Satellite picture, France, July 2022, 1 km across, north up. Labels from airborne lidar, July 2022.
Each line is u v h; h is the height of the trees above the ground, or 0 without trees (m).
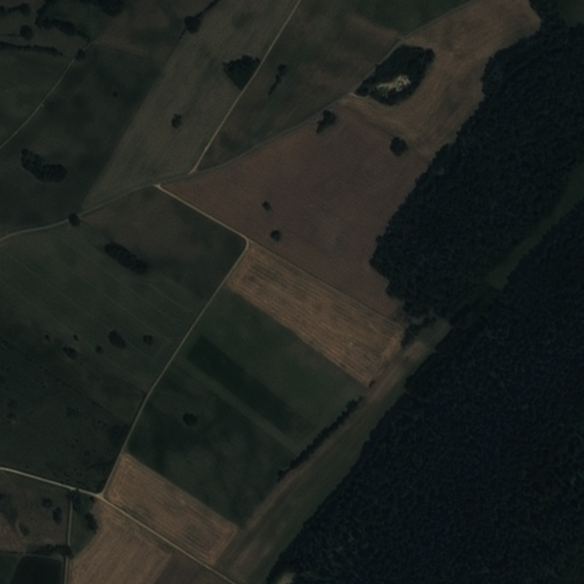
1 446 0
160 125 0
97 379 0
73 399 0
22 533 0
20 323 0
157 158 0
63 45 0
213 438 0
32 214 0
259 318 0
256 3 0
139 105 0
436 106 0
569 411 34
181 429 0
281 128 0
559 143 16
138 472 0
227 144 0
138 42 0
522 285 24
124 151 0
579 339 24
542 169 23
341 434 0
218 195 0
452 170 18
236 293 0
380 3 0
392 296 19
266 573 0
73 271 0
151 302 0
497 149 20
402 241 19
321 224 0
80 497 14
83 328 0
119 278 0
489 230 20
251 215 0
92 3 8
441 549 30
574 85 20
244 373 0
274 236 9
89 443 0
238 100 0
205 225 0
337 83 0
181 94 0
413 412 32
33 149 0
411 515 33
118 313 0
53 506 18
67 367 0
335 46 0
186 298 0
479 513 27
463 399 31
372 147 0
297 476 0
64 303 0
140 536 0
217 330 0
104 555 0
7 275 0
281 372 0
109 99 0
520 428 34
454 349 8
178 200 0
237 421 0
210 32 0
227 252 0
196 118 0
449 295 18
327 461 0
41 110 0
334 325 0
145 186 0
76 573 0
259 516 0
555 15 17
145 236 0
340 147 0
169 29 0
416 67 12
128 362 0
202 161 0
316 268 0
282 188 0
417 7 0
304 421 0
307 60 0
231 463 0
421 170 0
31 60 0
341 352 0
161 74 0
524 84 20
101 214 0
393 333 0
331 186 0
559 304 31
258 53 0
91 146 0
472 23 0
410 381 10
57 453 0
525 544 25
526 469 11
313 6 0
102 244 0
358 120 0
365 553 33
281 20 0
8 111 0
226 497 0
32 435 0
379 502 34
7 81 0
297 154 0
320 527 9
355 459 0
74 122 0
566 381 33
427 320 7
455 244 19
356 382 0
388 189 0
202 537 0
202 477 0
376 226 0
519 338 30
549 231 0
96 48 0
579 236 26
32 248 0
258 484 0
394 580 32
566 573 20
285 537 0
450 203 22
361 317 0
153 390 0
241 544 0
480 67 0
